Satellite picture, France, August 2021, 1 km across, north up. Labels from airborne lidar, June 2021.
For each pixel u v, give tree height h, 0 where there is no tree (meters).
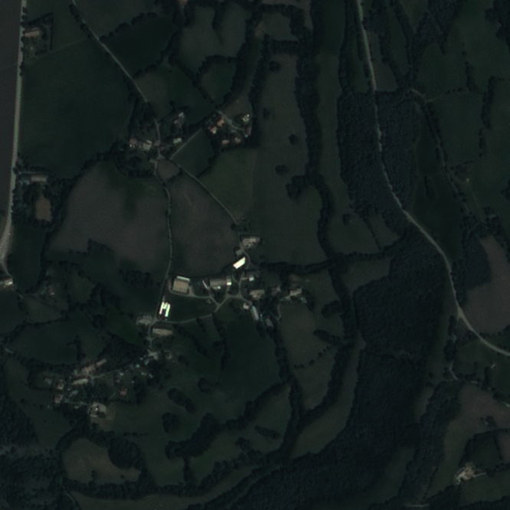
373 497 0
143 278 22
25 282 0
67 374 11
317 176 21
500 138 0
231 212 0
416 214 0
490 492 0
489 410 0
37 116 0
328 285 0
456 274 17
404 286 21
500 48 0
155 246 0
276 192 0
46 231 26
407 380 21
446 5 18
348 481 24
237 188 0
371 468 23
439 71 0
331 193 15
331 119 0
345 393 0
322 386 0
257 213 0
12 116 0
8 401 11
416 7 0
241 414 0
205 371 0
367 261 12
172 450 19
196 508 13
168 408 0
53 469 15
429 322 23
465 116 0
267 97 0
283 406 0
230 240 0
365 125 21
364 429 24
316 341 0
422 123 0
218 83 0
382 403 22
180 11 11
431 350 23
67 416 13
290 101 0
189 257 0
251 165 0
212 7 18
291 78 0
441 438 16
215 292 7
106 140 0
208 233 0
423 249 24
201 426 0
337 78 0
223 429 16
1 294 0
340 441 13
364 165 23
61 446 14
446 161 9
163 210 0
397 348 20
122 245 0
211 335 0
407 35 13
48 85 0
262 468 18
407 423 23
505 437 0
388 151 15
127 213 0
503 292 0
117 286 0
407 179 17
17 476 14
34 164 0
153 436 0
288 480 23
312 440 0
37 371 11
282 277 12
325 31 15
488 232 9
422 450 16
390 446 24
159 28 0
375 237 7
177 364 0
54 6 0
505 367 0
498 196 0
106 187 0
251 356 0
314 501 22
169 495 15
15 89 0
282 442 0
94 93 0
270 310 8
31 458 10
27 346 0
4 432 16
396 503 14
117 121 0
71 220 0
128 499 17
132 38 0
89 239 0
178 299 0
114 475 0
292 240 0
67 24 0
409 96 15
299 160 0
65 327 0
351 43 17
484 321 0
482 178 0
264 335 15
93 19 0
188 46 0
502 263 0
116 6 0
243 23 0
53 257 0
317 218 0
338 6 0
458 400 9
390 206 21
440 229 0
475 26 0
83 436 13
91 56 0
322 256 0
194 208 0
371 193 19
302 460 16
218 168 0
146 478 21
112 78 0
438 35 15
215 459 0
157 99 0
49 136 0
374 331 19
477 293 0
